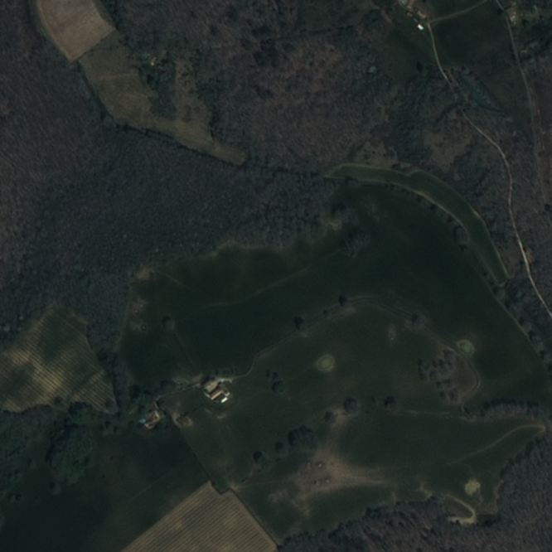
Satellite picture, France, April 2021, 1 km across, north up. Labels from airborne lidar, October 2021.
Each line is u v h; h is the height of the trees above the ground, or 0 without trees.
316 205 19
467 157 10
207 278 0
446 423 0
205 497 0
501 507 18
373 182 0
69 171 19
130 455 0
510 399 0
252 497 0
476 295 0
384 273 0
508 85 0
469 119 22
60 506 0
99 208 17
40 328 0
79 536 0
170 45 22
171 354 0
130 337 0
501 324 0
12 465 6
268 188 24
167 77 9
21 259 19
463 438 0
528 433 0
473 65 0
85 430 7
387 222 0
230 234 24
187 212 18
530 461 22
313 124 17
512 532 20
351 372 0
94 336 19
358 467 0
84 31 0
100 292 23
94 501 0
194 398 0
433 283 0
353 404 20
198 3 17
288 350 0
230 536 0
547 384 0
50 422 8
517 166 19
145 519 0
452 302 0
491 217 19
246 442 0
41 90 19
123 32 15
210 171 18
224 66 19
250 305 0
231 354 0
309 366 0
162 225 17
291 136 14
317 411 0
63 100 17
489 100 8
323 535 14
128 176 21
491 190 21
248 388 0
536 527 14
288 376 0
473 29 0
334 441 0
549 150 0
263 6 13
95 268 16
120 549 0
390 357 0
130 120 0
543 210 18
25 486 0
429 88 14
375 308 0
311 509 0
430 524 14
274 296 0
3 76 19
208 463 0
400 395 0
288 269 0
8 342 19
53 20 0
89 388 0
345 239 0
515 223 19
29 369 0
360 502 0
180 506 0
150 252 17
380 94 19
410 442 0
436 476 0
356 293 0
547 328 6
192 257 15
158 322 0
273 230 19
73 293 23
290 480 0
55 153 15
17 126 15
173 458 0
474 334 0
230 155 0
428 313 0
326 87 9
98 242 16
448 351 0
